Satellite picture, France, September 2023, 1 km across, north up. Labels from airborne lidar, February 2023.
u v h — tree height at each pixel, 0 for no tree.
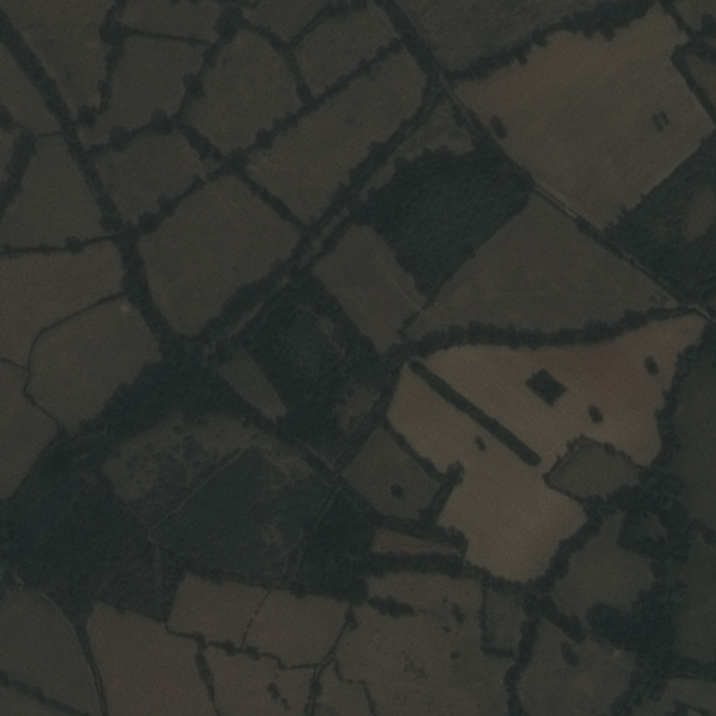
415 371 8
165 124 24
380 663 0
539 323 0
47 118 0
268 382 8
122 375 0
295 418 16
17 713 0
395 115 0
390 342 0
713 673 10
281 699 0
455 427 0
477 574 11
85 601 16
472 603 0
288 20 0
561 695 0
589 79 0
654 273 14
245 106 0
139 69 0
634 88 0
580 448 0
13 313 0
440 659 0
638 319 11
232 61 0
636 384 0
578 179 0
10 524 11
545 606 12
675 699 0
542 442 0
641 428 0
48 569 22
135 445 0
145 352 0
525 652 14
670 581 0
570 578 0
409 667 0
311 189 0
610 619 15
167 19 0
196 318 0
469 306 0
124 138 19
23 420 0
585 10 0
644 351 0
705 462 0
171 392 18
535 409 0
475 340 12
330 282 0
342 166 0
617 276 0
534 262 0
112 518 20
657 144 0
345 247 0
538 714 0
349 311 0
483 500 0
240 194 0
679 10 0
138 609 7
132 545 7
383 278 0
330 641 0
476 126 16
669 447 15
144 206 0
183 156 0
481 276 0
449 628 0
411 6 0
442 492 6
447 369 0
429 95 14
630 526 13
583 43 0
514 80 0
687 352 9
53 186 0
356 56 0
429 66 16
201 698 0
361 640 0
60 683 0
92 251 0
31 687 0
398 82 0
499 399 0
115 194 0
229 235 0
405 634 0
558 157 0
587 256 0
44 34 0
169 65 0
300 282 8
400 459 0
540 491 0
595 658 0
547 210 0
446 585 0
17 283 0
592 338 12
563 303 0
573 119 0
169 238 0
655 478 6
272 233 0
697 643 0
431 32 0
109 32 16
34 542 22
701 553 0
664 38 0
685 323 0
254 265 0
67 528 22
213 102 0
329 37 0
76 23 0
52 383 0
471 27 0
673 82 0
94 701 0
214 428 0
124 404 16
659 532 0
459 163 8
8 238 0
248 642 0
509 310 0
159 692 0
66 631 0
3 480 0
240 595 0
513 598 0
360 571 16
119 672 0
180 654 0
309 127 0
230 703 0
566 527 0
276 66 0
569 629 17
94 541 20
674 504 8
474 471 0
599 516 9
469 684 0
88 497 21
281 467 0
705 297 12
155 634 0
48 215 0
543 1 0
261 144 12
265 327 9
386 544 0
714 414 0
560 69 0
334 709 0
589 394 0
